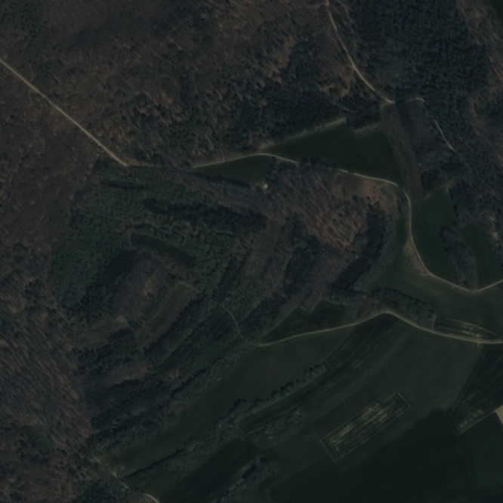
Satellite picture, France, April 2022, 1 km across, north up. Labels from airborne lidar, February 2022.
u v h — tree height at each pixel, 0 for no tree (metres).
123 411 27
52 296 9
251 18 9
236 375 0
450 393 0
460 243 23
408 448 0
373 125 12
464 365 0
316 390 0
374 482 0
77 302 27
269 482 0
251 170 0
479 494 0
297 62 13
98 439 9
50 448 0
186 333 15
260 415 0
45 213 10
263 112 18
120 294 23
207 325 11
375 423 0
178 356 11
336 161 0
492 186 27
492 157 26
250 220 22
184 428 0
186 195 16
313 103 27
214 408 0
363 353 0
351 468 0
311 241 25
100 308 24
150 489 0
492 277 0
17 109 6
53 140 10
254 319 11
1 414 0
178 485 0
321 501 0
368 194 0
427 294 0
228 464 0
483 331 0
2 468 10
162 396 23
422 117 18
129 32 11
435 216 0
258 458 0
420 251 0
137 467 0
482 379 0
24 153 6
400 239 0
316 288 31
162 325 0
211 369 13
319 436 0
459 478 0
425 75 28
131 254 11
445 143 17
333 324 0
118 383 22
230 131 10
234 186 21
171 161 14
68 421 26
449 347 0
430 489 0
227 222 26
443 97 23
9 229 8
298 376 0
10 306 22
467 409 0
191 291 0
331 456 0
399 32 16
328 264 31
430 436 0
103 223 15
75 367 31
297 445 0
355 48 32
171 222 14
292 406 0
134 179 17
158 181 18
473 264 25
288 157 0
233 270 15
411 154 0
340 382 0
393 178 0
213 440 12
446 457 0
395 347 0
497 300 0
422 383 0
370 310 18
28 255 28
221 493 0
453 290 0
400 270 0
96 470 27
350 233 28
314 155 0
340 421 0
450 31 26
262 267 0
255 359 0
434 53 27
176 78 12
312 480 0
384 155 0
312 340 0
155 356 20
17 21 14
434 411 0
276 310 7
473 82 22
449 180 19
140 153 19
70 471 9
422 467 0
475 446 0
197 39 9
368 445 0
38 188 11
